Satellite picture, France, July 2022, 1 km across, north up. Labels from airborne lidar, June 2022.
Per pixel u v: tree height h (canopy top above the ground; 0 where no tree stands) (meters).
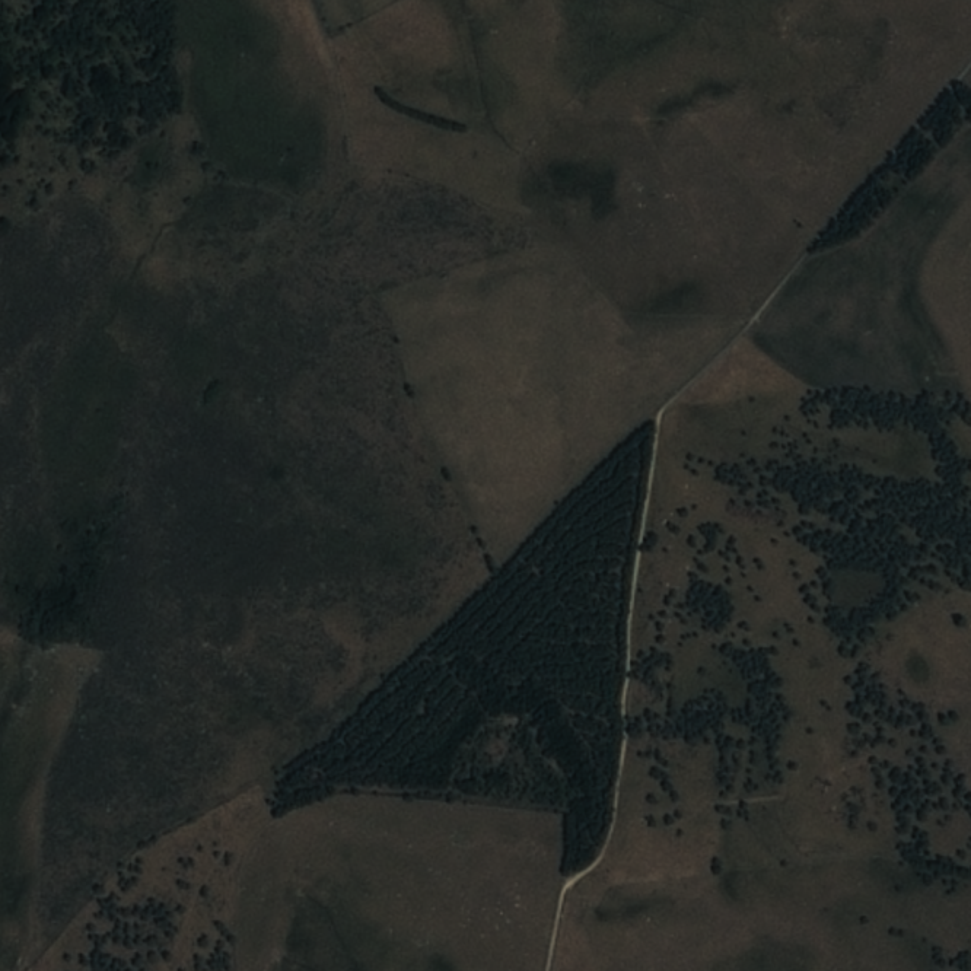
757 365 0
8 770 0
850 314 0
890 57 0
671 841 0
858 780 0
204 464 0
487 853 0
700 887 0
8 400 0
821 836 0
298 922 0
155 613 0
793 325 0
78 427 0
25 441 0
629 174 0
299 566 0
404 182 0
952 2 0
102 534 6
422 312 0
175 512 0
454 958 0
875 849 0
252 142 0
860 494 14
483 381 0
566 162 0
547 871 0
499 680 20
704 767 0
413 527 0
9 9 6
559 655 15
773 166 0
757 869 0
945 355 0
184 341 0
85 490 0
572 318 0
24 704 0
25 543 0
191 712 0
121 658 0
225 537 0
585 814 11
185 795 0
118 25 7
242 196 0
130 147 13
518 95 0
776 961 0
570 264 0
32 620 13
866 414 12
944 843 0
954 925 0
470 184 0
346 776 13
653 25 0
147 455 0
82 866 0
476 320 0
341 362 0
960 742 0
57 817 0
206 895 11
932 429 15
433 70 0
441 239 0
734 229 0
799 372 0
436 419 0
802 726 0
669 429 0
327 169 0
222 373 0
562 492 0
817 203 0
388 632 0
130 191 0
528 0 0
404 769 13
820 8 0
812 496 11
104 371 0
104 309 0
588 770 14
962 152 0
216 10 0
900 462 0
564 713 10
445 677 11
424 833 0
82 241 0
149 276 0
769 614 0
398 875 0
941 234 0
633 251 0
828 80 0
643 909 0
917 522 15
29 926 0
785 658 0
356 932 0
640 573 0
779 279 0
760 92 0
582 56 0
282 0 0
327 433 0
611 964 0
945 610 0
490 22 0
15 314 0
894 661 0
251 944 0
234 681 0
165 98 17
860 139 0
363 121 0
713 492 0
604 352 0
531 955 0
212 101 0
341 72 0
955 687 0
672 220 0
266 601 0
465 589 0
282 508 0
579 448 0
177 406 0
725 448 0
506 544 0
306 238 0
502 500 0
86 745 0
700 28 0
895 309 0
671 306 0
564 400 0
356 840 0
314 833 0
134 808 0
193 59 0
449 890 0
